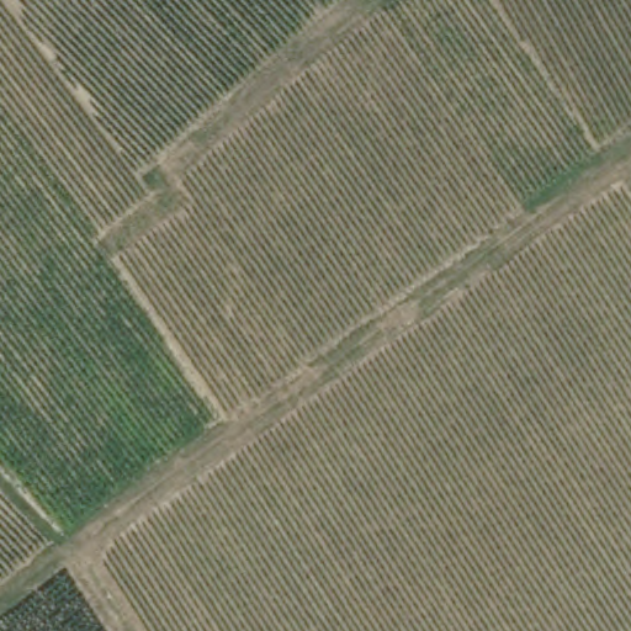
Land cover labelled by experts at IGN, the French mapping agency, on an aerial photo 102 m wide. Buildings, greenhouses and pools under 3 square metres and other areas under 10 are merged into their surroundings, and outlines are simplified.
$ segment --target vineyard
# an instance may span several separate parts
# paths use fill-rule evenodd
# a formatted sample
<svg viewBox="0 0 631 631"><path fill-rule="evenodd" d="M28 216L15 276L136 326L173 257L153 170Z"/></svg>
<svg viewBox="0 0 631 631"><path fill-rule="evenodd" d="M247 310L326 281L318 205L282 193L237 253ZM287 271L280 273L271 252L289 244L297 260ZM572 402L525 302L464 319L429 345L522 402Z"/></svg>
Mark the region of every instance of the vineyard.
<svg viewBox="0 0 631 631"><path fill-rule="evenodd" d="M631 631L631 0L0 0L0 631Z"/></svg>

